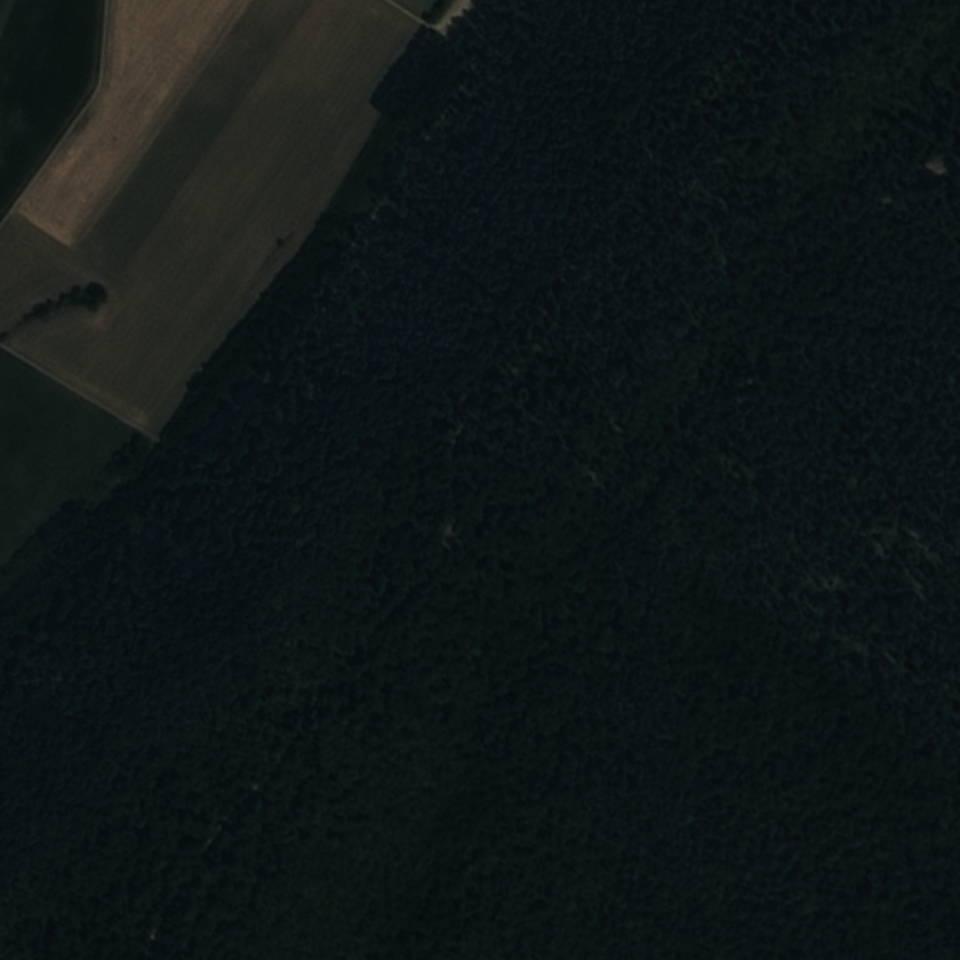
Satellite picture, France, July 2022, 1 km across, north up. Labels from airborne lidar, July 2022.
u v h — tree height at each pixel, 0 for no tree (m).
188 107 0
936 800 20
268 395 32
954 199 32
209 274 0
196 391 9
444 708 9
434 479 25
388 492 20
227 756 20
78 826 23
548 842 19
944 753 28
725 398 34
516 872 12
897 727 25
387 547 26
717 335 20
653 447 30
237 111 0
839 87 15
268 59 0
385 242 38
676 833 18
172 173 0
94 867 23
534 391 24
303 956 21
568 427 30
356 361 34
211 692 23
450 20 0
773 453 38
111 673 29
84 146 0
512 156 28
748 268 23
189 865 20
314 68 0
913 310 39
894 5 23
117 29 0
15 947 24
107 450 0
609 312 13
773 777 18
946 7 27
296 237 0
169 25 0
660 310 32
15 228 0
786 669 14
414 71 20
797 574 30
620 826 19
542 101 34
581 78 36
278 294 8
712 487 32
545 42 34
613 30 37
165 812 20
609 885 21
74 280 0
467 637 22
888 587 24
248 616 30
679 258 33
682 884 18
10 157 0
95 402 0
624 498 23
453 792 20
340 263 31
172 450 9
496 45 33
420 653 22
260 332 10
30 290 0
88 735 25
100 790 20
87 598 30
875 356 35
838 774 17
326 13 0
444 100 11
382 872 24
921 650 30
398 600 11
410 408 31
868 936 19
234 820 12
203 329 0
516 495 23
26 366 0
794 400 32
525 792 21
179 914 22
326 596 20
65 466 0
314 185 0
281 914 24
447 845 27
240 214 0
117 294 0
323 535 21
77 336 0
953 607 13
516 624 26
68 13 0
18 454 0
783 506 34
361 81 0
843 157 29
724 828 8
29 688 30
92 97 0
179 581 33
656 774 22
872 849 16
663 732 18
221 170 0
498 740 27
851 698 20
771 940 15
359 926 24
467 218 32
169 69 0
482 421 30
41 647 28
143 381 0
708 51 27
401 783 20
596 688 26
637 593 21
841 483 33
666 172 10
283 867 22
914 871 16
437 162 35
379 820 23
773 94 32
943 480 33
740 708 20
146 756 22
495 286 25
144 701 26
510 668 23
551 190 32
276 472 8
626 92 31
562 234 26
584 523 21
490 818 21
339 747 19
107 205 0
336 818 19
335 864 21
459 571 22
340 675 17
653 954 16
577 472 28
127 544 31
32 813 28
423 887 19
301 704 7
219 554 36
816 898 15
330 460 29
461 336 32
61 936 27
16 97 0
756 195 18
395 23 0
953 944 20
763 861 9
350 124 0
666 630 17
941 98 7
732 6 19
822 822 10
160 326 0
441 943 20
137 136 0
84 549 19
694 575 15
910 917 20
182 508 31
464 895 19
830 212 38
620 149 25
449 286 34
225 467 7
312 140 0
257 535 30
